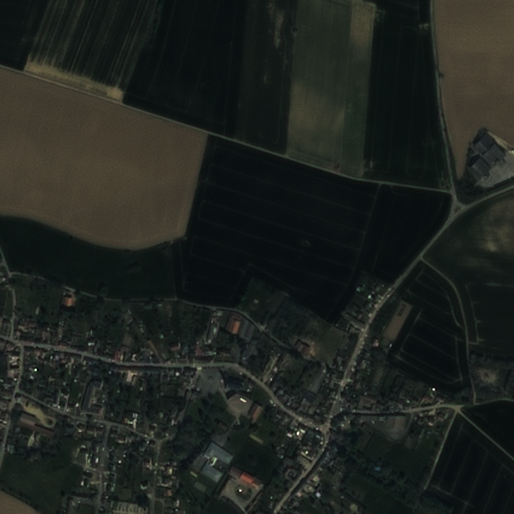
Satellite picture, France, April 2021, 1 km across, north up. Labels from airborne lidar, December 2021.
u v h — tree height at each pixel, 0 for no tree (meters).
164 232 0
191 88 0
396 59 0
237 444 0
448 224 0
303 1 0
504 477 0
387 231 0
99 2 0
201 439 12
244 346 14
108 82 0
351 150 0
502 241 0
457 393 7
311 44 0
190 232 0
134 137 0
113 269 0
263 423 0
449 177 0
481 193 11
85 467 0
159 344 0
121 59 0
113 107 0
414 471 0
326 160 0
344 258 0
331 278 0
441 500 14
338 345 0
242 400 0
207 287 0
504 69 0
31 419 0
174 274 0
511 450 0
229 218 0
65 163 0
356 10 0
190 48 0
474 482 0
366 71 0
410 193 0
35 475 0
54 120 0
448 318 0
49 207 0
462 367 0
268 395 0
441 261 0
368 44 0
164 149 0
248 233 0
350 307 8
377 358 15
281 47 0
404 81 0
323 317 0
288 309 8
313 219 0
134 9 0
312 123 0
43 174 0
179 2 0
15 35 0
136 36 0
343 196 0
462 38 0
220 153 0
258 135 0
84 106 0
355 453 6
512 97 0
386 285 0
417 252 0
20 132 0
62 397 0
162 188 0
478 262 0
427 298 0
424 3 0
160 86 0
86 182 0
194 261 0
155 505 0
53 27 0
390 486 11
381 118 0
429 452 0
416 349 0
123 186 0
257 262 0
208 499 16
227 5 0
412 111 0
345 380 0
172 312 0
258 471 0
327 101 0
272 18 0
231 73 0
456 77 0
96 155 0
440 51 0
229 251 0
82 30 0
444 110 0
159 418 0
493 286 0
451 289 0
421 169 0
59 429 10
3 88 0
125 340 0
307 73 0
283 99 0
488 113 0
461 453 0
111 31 0
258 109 0
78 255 0
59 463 0
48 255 0
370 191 0
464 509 0
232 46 0
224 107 0
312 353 0
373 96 0
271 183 0
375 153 0
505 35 0
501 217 0
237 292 0
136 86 0
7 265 0
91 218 0
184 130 0
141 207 0
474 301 0
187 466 18
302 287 0
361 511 8
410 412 0
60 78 0
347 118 0
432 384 0
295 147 0
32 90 0
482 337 0
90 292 0
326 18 0
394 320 0
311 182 0
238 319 0
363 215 0
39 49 0
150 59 0
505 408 0
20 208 0
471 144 8
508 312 0
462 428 0
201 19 0
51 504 0
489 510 0
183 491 9
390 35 0
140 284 0
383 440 0
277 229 0
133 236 0
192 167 0
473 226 0
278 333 7
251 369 12
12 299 0
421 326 0
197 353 0
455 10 0
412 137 0
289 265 0
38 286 7
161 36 0
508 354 0
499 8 0
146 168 0
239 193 0
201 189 0
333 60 0
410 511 0
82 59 0
